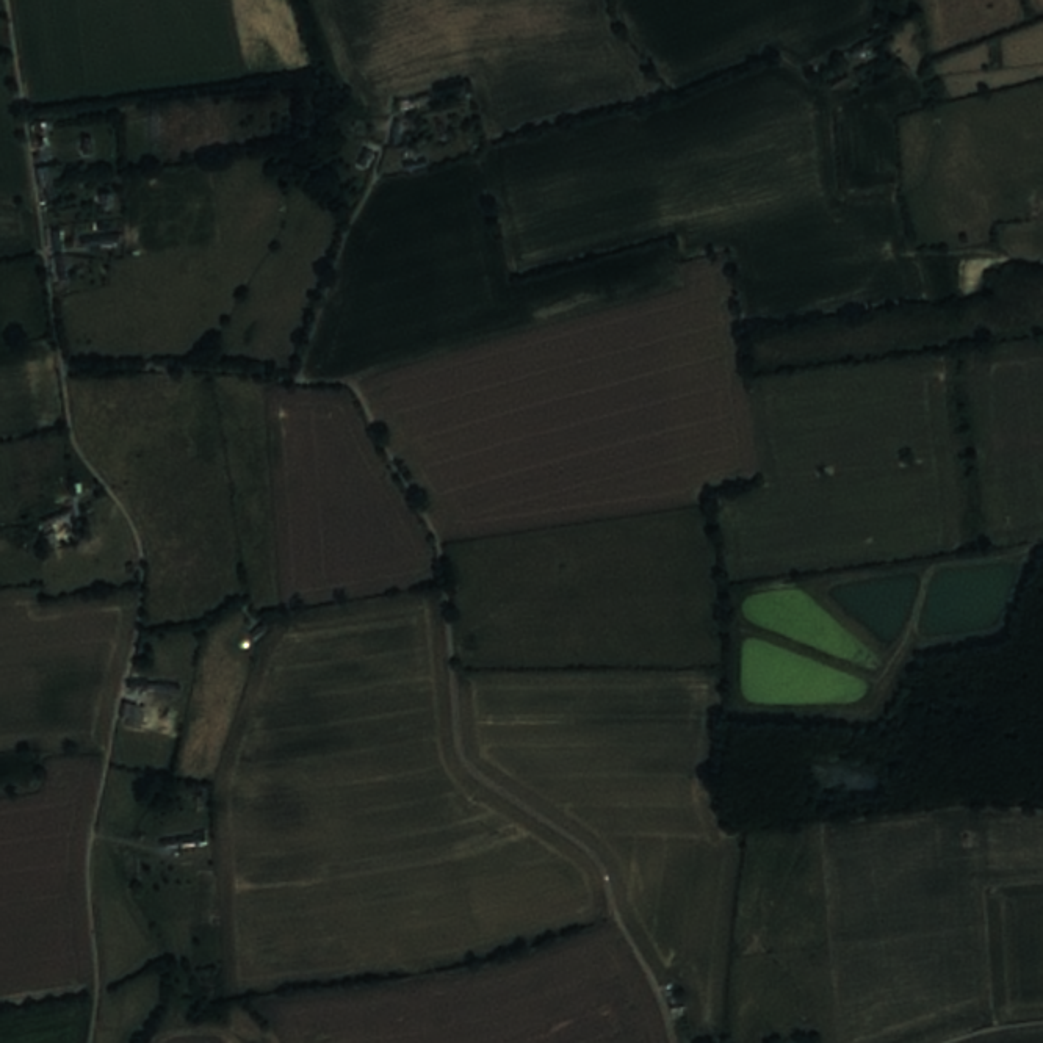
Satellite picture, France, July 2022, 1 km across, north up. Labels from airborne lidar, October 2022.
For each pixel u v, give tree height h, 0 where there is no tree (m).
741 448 0
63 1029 0
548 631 0
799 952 0
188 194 0
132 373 12
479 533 0
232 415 0
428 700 0
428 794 0
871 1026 0
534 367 0
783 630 0
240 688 0
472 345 0
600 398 0
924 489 0
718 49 0
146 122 0
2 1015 13
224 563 0
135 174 13
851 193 0
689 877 0
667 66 0
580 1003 0
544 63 0
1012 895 0
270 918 0
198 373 10
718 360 0
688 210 0
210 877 0
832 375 0
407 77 0
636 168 0
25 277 0
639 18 0
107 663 0
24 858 0
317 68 9
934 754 18
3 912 0
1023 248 0
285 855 0
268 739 0
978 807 17
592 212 0
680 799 0
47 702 0
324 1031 0
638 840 0
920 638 0
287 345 0
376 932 0
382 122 0
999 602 0
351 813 0
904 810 17
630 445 0
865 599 0
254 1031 0
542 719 0
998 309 0
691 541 0
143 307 0
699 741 0
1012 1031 0
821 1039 10
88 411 0
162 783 15
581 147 0
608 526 0
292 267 0
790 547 0
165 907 0
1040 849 0
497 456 0
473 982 0
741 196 0
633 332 0
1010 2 0
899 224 0
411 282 0
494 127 0
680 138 0
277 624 0
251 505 0
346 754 0
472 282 0
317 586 0
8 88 11
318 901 0
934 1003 0
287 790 0
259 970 0
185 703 0
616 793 0
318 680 0
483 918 0
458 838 0
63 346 10
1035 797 17
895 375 0
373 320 0
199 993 8
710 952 0
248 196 0
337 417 0
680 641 0
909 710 9
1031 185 0
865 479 0
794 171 0
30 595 0
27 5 0
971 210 0
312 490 0
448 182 0
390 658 0
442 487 0
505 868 0
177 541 0
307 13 11
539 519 0
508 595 0
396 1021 0
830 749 14
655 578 0
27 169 0
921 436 0
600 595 0
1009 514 0
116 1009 0
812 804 11
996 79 0
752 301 0
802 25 0
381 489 0
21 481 0
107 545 0
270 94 12
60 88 0
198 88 9
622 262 0
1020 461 0
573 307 0
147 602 7
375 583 0
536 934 0
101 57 0
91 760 0
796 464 0
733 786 18
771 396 0
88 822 0
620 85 0
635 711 0
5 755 0
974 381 0
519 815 0
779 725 19
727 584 7
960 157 0
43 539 8
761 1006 0
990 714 15
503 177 0
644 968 0
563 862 0
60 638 0
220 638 0
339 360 0
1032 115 0
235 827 0
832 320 9
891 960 0
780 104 0
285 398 0
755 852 0
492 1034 0
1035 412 0
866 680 0
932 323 0
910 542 0
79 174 13
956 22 0
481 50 0
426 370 0
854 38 0
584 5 0
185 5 0
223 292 0
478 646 0
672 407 0
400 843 0
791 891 0
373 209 0
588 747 0
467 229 0
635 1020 0
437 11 0
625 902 0
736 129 0
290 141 17
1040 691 18
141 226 0
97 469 0
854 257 0
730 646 7
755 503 0
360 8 0
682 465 0
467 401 0
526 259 0
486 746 0
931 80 9
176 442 0
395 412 0
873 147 0
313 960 0
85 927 0
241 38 0
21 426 0
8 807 0
